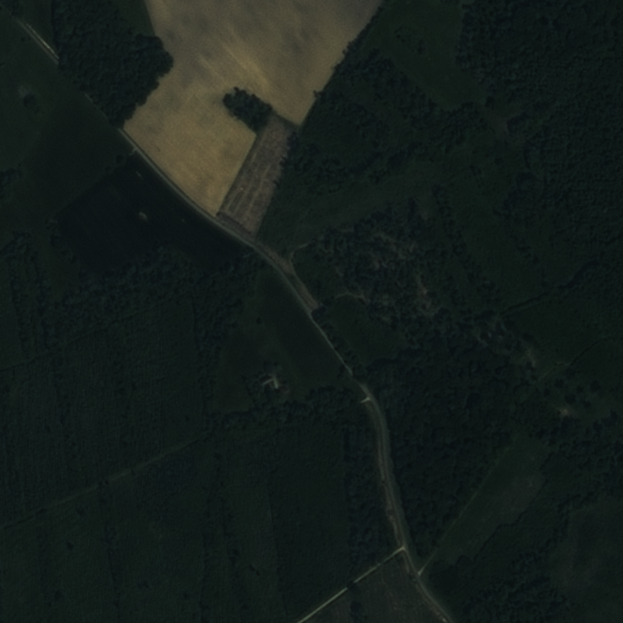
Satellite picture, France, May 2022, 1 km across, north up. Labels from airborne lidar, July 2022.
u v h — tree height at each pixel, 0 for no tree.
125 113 30
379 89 30
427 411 28
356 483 18
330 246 0
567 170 22
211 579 8
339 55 0
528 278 7
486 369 30
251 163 0
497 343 28
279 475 9
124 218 0
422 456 32
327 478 7
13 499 9
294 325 0
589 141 18
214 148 0
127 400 10
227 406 0
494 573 10
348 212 0
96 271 0
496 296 19
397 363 23
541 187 30
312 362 0
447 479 31
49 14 0
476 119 19
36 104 17
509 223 26
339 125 8
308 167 32
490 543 8
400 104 26
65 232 0
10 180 19
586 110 15
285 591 10
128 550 6
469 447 27
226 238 0
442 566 6
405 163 23
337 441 9
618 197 19
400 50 0
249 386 17
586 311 16
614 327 16
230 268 17
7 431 15
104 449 6
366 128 24
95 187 0
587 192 18
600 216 17
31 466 6
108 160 0
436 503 28
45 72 0
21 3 19
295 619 6
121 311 12
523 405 14
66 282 0
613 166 16
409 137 8
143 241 0
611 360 7
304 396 0
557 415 7
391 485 0
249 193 0
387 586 0
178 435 8
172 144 0
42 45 0
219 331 25
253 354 0
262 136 0
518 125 19
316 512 6
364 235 0
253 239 0
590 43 24
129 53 29
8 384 10
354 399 17
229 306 18
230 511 6
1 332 6
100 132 0
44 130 0
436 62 0
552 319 6
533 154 25
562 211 19
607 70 16
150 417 7
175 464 11
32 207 0
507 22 26
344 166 8
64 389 18
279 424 19
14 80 0
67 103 0
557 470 10
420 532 23
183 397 9
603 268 17
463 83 0
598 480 21
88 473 9
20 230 0
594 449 20
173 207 0
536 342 28
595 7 31
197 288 20
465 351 30
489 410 32
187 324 7
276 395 13
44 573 9
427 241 19
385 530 23
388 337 10
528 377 23
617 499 28
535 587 27
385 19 0
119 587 11
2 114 0
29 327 18
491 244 6
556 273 7
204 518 9
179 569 6
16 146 0
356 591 24
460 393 29
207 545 11
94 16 27
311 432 11
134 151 0
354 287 0
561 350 7
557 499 8
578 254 7
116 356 10
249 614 10
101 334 8
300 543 8
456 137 13
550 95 20
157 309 6
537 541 6
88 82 20
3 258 14
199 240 0
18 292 21
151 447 7
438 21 0
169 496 8
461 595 6
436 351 30
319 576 7
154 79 21
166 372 8
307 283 7
